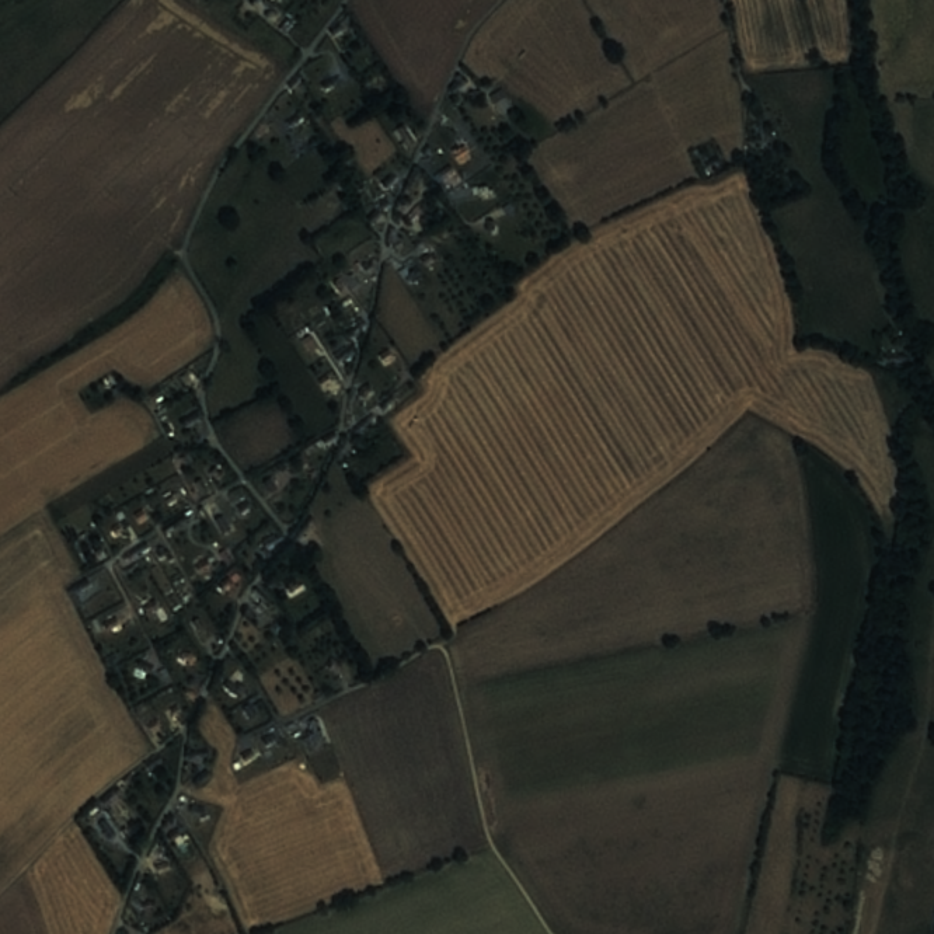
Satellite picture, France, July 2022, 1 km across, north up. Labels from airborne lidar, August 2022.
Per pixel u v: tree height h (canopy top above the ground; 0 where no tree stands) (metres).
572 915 0
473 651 0
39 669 0
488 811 0
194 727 10
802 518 0
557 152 0
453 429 0
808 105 0
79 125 0
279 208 0
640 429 0
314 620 12
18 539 0
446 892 0
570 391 0
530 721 0
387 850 0
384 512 0
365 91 9
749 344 0
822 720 0
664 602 0
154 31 0
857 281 0
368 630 0
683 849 0
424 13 0
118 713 0
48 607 0
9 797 0
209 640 0
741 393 0
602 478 0
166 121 0
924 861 0
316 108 13
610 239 0
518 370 0
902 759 0
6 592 0
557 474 0
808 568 0
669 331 0
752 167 13
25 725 0
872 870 0
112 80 0
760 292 0
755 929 0
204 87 0
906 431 14
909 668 25
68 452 0
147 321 0
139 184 0
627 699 0
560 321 0
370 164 0
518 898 0
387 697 0
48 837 0
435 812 0
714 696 0
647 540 0
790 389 0
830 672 0
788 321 0
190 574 0
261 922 0
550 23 0
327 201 0
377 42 0
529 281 0
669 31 0
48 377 0
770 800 9
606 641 0
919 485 26
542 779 0
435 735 0
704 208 0
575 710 0
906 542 10
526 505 0
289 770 0
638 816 0
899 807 0
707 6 0
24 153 0
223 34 0
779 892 0
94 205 0
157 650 10
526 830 0
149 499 6
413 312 0
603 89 0
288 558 9
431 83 0
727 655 0
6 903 0
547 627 0
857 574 0
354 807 0
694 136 0
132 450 0
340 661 6
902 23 0
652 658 0
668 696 0
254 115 0
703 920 0
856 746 16
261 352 6
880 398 0
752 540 0
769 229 16
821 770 0
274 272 0
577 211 0
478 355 0
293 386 0
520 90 0
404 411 0
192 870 0
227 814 0
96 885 0
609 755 0
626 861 0
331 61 0
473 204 0
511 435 0
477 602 0
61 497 0
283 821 0
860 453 0
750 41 0
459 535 0
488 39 0
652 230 0
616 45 16
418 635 0
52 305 0
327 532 0
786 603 0
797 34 0
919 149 0
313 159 0
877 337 8
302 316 0
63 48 0
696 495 0
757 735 0
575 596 0
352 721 0
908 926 0
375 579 0
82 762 0
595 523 0
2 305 0
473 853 0
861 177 0
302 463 9
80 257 0
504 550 0
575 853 0
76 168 0
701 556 0
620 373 0
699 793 0
